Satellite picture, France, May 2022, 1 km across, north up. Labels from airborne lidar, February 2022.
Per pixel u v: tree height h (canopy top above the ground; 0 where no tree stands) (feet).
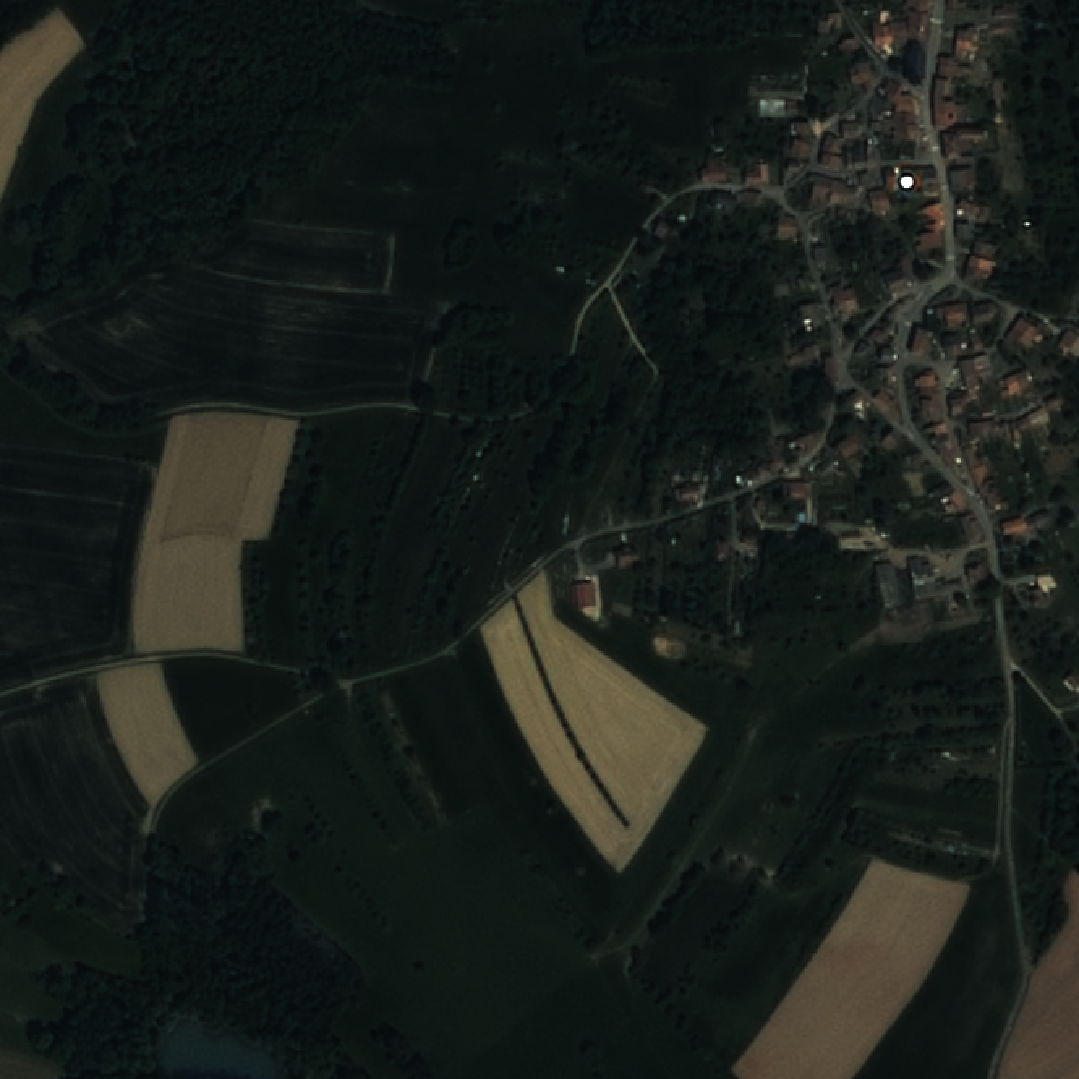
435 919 0
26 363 88
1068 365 18
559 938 0
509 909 0
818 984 0
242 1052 0
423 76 55
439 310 0
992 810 0
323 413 0
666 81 21
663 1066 0
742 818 0
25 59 0
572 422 40
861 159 0
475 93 0
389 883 0
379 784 0
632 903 0
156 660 0
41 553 0
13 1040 0
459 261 36
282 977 78
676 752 0
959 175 0
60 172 0
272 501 0
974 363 0
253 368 0
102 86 67
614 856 0
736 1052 0
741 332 40
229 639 0
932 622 0
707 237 56
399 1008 0
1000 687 21
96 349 0
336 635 19
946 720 0
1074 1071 0
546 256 0
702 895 0
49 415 0
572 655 0
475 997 0
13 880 0
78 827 0
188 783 0
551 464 60
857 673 0
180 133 53
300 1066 60
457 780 0
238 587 0
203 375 0
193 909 94
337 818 0
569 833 0
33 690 0
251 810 0
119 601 0
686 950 0
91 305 0
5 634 0
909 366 0
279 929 81
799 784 0
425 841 0
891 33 0
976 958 0
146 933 50
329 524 0
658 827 0
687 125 0
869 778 0
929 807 0
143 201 88
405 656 0
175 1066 0
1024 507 21
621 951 0
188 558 0
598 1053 37
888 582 0
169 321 0
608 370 0
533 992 0
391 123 0
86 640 0
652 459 41
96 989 67
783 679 0
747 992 0
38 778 0
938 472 0
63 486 0
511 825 0
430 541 0
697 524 0
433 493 0
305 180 64
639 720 0
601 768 0
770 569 33
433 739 0
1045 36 76
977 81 0
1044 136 26
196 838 0
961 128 0
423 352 0
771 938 0
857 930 0
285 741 0
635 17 23
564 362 22
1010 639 0
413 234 0
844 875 0
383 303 0
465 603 0
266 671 0
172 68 77
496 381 33
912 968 0
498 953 0
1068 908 20
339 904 0
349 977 68
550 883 0
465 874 0
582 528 0
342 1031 0
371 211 0
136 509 0
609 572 0
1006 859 0
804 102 27
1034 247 0
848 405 35
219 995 48
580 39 0
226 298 0
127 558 0
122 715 0
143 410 64
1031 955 0
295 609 0
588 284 0
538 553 0
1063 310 0
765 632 0
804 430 31
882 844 0
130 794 0
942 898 0
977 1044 0
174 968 46
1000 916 0
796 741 0
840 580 0
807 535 53
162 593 0
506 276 0
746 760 0
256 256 0
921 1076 0
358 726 0
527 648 0
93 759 0
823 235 0
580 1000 0
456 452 0
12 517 0
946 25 0
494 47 0
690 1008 0
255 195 89
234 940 63
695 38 44
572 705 0
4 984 0
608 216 0
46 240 67
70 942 0
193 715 0
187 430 0
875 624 0
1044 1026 0
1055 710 0
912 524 0
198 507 0
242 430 0
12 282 0
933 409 0
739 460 20
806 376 48
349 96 51
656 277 40
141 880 0
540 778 0
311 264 0
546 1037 0
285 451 0
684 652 0
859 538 0
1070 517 54
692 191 0
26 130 0
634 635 0
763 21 47
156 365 0
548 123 0
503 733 0
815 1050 0
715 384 50
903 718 23
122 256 72
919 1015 0
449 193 0
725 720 0
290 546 0
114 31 44
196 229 98
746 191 0
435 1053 0
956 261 0
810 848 0
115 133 94
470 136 0
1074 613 0
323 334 0
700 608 55
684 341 32
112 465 0
